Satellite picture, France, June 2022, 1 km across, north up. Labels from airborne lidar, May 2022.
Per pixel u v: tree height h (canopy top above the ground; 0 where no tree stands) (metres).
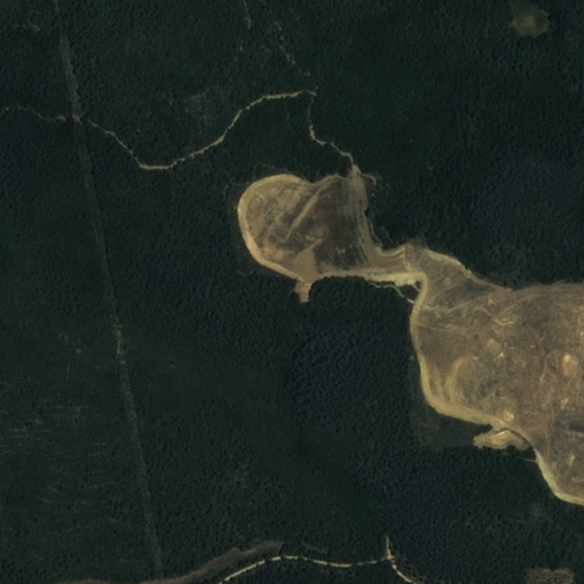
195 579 0
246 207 0
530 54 20
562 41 7
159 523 6
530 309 0
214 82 7
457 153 7
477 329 0
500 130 11
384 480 8
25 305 6
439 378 0
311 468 9
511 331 0
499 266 7
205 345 7
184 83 9
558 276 15
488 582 15
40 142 14
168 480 7
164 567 6
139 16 10
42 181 11
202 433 9
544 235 12
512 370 0
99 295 9
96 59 7
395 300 14
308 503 7
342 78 8
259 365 9
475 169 8
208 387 6
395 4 15
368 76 12
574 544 10
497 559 6
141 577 10
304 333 7
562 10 12
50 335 6
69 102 9
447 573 14
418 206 8
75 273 8
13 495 6
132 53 7
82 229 12
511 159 15
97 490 6
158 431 9
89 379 5
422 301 0
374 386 11
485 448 9
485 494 7
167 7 12
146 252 13
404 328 12
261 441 6
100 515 8
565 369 0
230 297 17
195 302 10
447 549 12
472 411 0
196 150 7
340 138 11
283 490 14
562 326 0
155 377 6
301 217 0
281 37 12
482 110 9
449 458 9
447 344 0
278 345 15
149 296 7
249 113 8
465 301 0
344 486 13
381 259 0
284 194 0
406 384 15
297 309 11
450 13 15
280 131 6
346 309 16
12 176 15
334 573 10
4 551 6
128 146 6
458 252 8
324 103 13
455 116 9
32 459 8
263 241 0
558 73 6
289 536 10
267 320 11
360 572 12
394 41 12
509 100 7
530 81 16
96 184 8
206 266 14
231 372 8
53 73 7
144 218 8
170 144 7
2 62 9
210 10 7
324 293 21
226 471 16
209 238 10
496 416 0
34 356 6
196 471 7
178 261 14
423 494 17
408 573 15
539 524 9
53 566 6
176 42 7
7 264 11
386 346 16
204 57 13
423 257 0
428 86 7
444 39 17
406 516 15
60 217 9
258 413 7
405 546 17
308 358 20
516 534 10
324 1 11
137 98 9
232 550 10
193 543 8
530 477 11
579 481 0
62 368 6
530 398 0
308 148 9
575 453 0
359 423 6
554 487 0
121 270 8
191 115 8
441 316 0
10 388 6
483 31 15
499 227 16
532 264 9
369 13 17
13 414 6
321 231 0
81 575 8
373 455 14
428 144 14
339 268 0
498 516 14
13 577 19
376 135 11
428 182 18
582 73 10
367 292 17
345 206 0
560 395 0
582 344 0
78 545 7
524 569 16
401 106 11
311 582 9
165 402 8
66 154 8
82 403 6
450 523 11
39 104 15
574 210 12
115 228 13
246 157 8
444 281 0
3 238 9
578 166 18
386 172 11
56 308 5
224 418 8
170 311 13
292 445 10
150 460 17
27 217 9
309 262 0
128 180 15
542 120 6
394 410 7
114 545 7
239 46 6
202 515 7
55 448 5
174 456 17
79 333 5
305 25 9
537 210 9
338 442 7
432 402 0
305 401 8
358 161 10
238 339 17
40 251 8
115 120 8
